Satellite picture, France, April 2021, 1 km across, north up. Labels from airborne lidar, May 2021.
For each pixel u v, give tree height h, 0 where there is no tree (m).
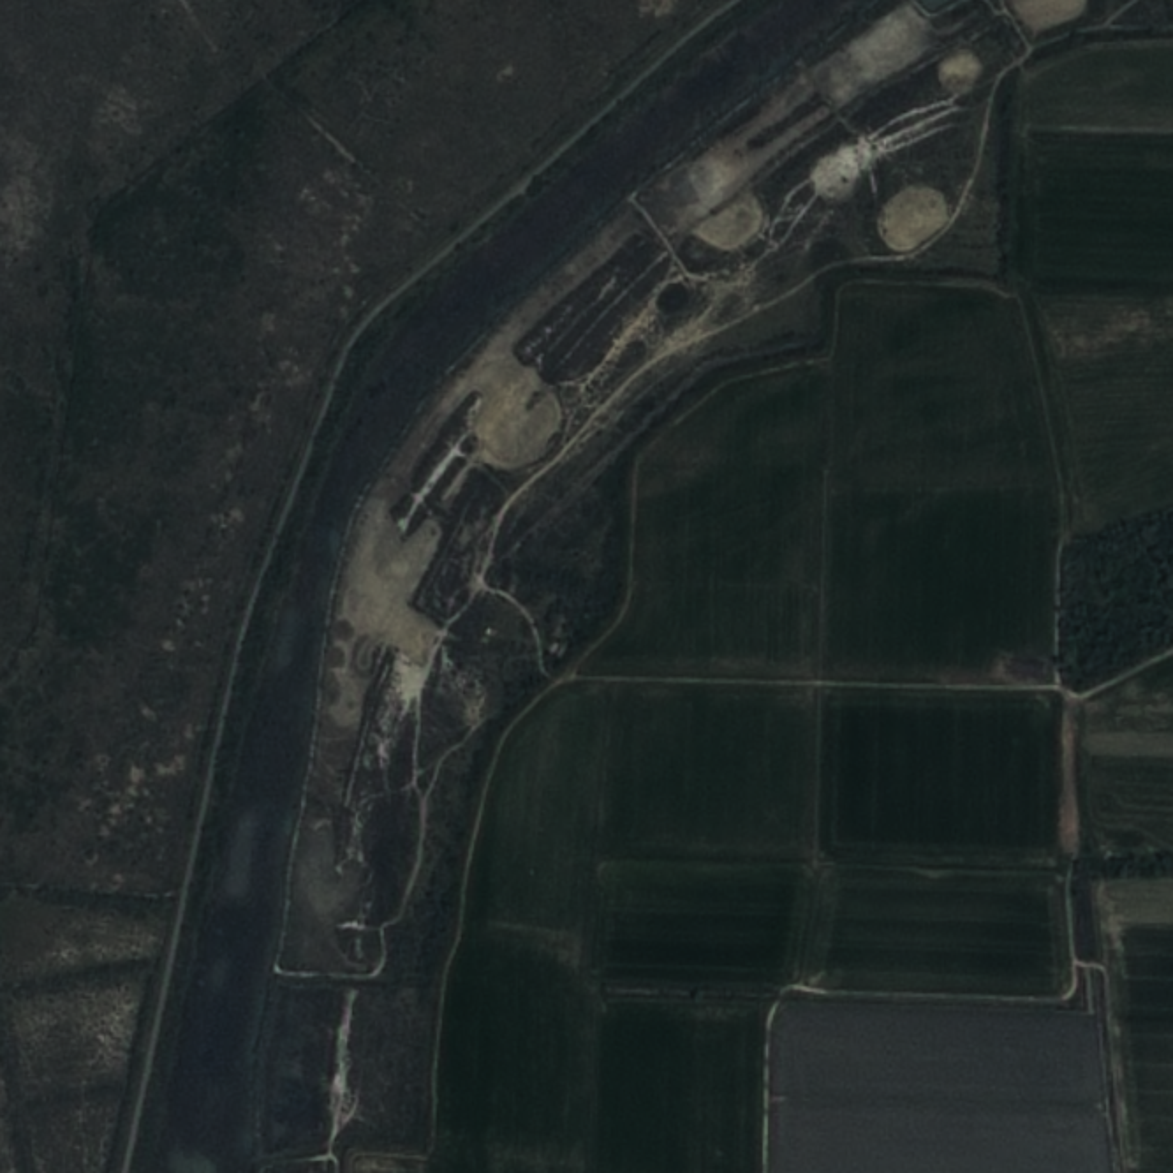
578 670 0
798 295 0
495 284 0
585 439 0
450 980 0
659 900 0
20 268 0
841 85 0
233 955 0
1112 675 7
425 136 0
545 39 0
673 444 0
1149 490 0
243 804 0
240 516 0
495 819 0
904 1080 0
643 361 0
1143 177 0
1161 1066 0
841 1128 0
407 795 0
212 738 5
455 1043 0
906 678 0
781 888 0
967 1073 0
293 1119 0
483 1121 0
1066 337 0
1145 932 0
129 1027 0
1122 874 10
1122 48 0
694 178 0
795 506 0
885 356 0
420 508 0
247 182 0
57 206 0
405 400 0
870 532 0
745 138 0
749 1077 0
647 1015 0
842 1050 0
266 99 0
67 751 0
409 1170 0
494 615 0
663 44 0
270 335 0
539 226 0
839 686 0
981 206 0
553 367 0
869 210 0
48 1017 0
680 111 0
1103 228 0
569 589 7
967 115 0
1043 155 0
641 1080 0
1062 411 0
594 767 0
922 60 0
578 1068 0
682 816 0
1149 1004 0
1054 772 0
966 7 0
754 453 0
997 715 0
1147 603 13
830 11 0
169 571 0
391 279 0
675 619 0
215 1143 0
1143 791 0
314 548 0
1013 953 0
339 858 0
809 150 0
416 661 0
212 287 0
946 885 0
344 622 0
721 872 0
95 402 0
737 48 0
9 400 0
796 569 0
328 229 0
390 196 0
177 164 0
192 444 0
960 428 0
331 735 0
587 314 0
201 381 0
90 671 0
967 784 0
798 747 0
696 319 0
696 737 0
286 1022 0
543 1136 0
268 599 7
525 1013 0
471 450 0
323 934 0
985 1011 0
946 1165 0
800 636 0
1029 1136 0
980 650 0
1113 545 14
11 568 0
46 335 0
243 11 0
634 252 0
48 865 0
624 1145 0
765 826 0
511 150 0
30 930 0
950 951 0
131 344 0
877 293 0
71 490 0
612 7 0
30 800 0
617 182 0
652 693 0
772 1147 0
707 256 0
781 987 0
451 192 0
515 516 0
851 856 0
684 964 0
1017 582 0
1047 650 0
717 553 0
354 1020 0
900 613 0
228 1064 0
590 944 0
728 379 0
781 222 0
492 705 0
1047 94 0
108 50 0
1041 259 0
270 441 0
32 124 0
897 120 0
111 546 0
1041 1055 0
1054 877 0
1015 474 0
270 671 0
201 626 0
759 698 0
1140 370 0
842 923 0
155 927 0
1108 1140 0
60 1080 0
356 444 0
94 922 0
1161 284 0
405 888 0
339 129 0
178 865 0
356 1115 0
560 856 0
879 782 0
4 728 0
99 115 0
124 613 0
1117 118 0
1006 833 0
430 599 0
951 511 0
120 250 0
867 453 0
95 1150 0
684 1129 0
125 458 0
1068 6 0
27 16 0
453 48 0
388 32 0
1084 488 0
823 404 0
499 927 0
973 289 0
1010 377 0
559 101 0
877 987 0
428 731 0
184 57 0
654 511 0
